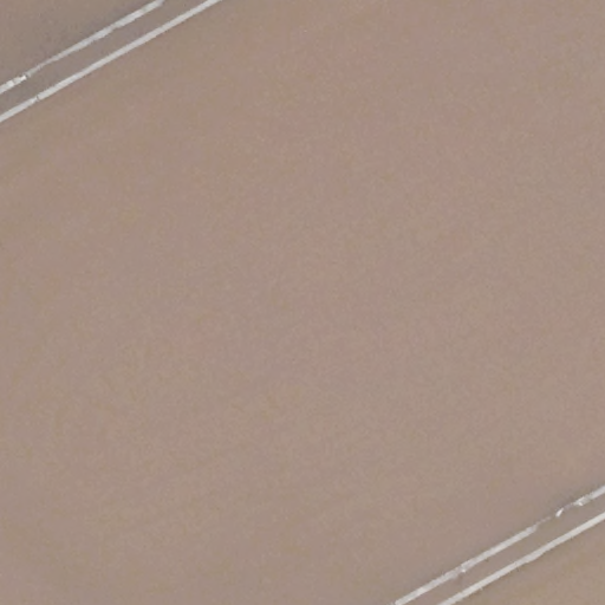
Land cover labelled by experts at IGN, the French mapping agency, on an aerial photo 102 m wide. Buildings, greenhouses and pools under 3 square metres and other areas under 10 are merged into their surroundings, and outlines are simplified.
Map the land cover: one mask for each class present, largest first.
<instances>
[{"label":"water","instance_id":"1","mask_svg":"<svg viewBox=\"0 0 605 605\"><path fill-rule=\"evenodd\" d=\"M151 0H0V85L24 73L33 64L61 52L64 47L97 33L111 21H118L121 17L144 7ZM203 0H165L158 9L113 31L95 45L43 69L26 83L0 95V113ZM605 510V0H222L208 7L206 12L170 28L168 33L149 40L147 45L132 50L130 54L102 66L83 80L0 123V605H388L529 525L536 529L532 536L518 541L515 546L501 551L494 558H487L484 562L437 586L435 591L411 600L409 605H437L444 598L458 593L461 588L475 584L477 579L492 574L494 570L522 558L541 544L555 539L558 534ZM456 605H605V522L555 546L541 558L508 572L506 577L492 581L489 586L475 591Z\"/></svg>","mask_w":605,"mask_h":605},{"label":"pervious surface","instance_id":"2","mask_svg":"<svg viewBox=\"0 0 605 605\"><path fill-rule=\"evenodd\" d=\"M165 0H151L144 7L121 17L118 21H111L97 33L64 47L61 52L33 64L24 73L0 85V95L26 83L43 69L95 45L113 31L158 9ZM222 0H203L0 113V123L83 80L102 66L130 54L132 50L147 45L149 40L168 33L170 28L206 12L208 7ZM605 522V510L558 534L555 539L541 544L522 558L494 570L492 574L477 579L475 584L461 588L458 593L444 598L437 605H456L475 591L489 586L492 581L506 577L508 572L541 558L555 546ZM536 529L529 525L388 605H409L411 600L435 591L437 586L484 562L487 558H494L501 551L515 546L518 541L532 536Z\"/></svg>","mask_w":605,"mask_h":605}]
</instances>
